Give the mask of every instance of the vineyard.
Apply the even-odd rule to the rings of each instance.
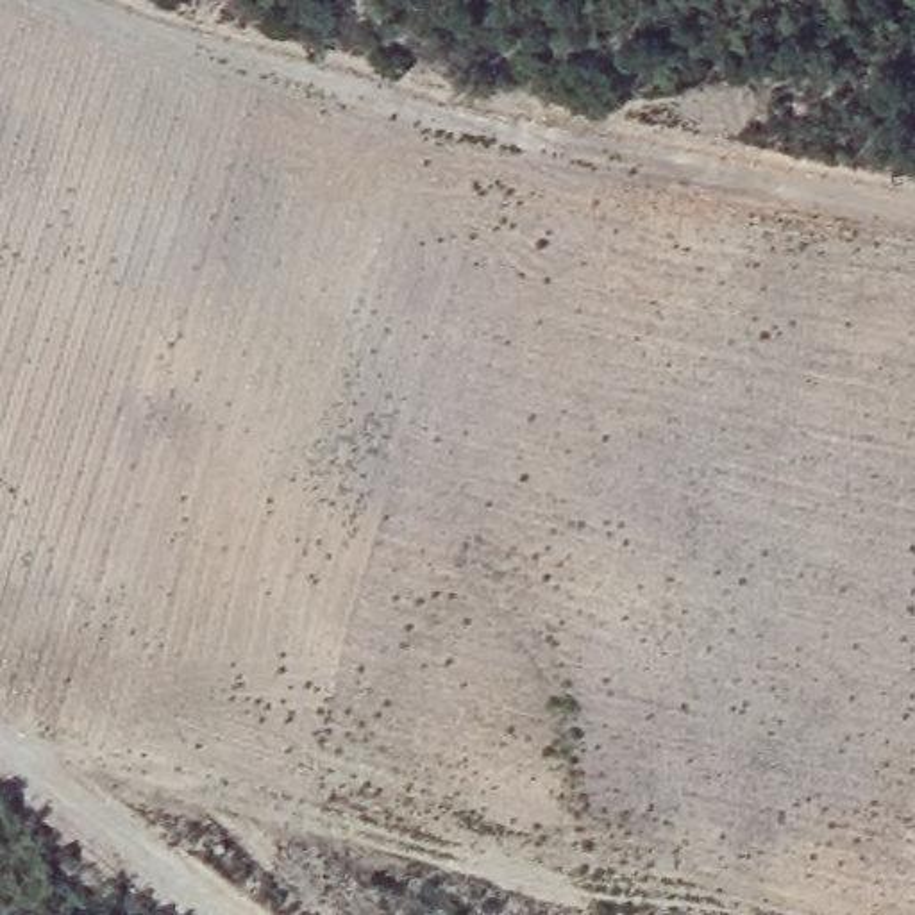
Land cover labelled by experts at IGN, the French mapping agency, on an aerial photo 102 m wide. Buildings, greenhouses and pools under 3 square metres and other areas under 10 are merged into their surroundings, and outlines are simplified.
[[[443,836],[450,844],[450,861],[443,861],[440,869],[440,872],[479,876],[497,883],[500,890],[522,890],[547,904],[593,904],[590,890],[579,890],[568,876],[533,865],[533,847],[522,847],[518,840],[479,836],[458,826],[465,808],[508,829],[529,829],[533,822],[572,822],[572,815],[558,804],[565,761],[543,758],[543,747],[554,740],[554,711],[547,708],[547,701],[575,697],[583,729],[583,772],[608,772],[604,779],[586,783],[590,801],[611,811],[643,811],[647,804],[661,801],[679,808],[672,829],[658,829],[658,836],[676,840],[683,847],[683,861],[672,865],[672,858],[658,858],[654,876],[693,879],[701,886],[726,886],[722,901],[740,901],[783,915],[915,915],[915,179],[826,164],[811,157],[790,157],[779,150],[761,150],[729,139],[711,143],[701,136],[686,136],[679,129],[629,122],[618,111],[611,111],[608,118],[586,118],[522,89],[472,97],[450,86],[440,64],[415,64],[400,79],[382,79],[368,57],[329,50],[322,61],[311,64],[304,43],[272,39],[261,29],[229,25],[222,21],[218,7],[193,4],[179,11],[161,11],[150,0],[0,0],[0,729],[18,711],[32,711],[39,740],[61,740],[64,758],[82,758],[93,772],[93,783],[107,790],[125,811],[132,811],[136,804],[147,804],[164,808],[172,815],[189,815],[197,822],[218,822],[247,847],[247,854],[261,869],[272,865],[279,840],[304,833],[365,851],[400,854],[400,847],[407,847],[411,836],[393,833],[386,826],[365,826],[354,815],[322,811],[322,801],[329,793],[375,783],[382,786],[382,797],[361,797],[361,804],[368,804],[368,811],[393,811]]]

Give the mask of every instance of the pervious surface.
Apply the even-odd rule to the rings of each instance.
[[[79,844],[82,858],[97,861],[104,876],[129,876],[132,886],[150,890],[157,904],[172,904],[175,911],[189,915],[272,915],[264,904],[247,897],[229,879],[222,879],[214,869],[207,869],[200,858],[189,858],[182,847],[168,847],[161,826],[147,826],[132,811],[125,811],[107,790],[93,783],[93,772],[82,758],[64,758],[61,740],[39,740],[32,711],[18,711],[0,729],[0,776],[21,779],[25,804],[50,808],[46,822],[57,829],[61,844]]]

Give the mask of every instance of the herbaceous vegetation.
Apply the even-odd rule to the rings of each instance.
[[[404,869],[407,861],[422,861],[440,869],[443,861],[450,861],[450,844],[443,836],[393,811],[368,811],[368,804],[361,804],[361,797],[382,797],[382,786],[375,783],[329,793],[322,801],[322,811],[354,815],[365,826],[386,826],[393,833],[411,836],[407,847],[400,847],[400,854],[365,851],[304,833],[279,840],[272,865],[261,869],[247,854],[247,847],[218,822],[197,822],[189,815],[172,815],[164,808],[147,804],[136,804],[132,811],[147,826],[161,826],[168,847],[182,847],[189,858],[200,858],[207,869],[214,869],[222,879],[229,879],[247,897],[264,904],[272,915],[379,915],[379,890],[404,894],[404,883],[393,876],[397,869]]]
[[[740,901],[722,901],[726,886],[701,886],[693,879],[654,876],[658,858],[672,858],[672,865],[683,861],[683,847],[676,840],[658,836],[658,829],[672,829],[679,808],[661,801],[647,804],[643,811],[611,811],[590,801],[586,783],[604,779],[608,772],[583,772],[583,729],[575,697],[547,701],[547,708],[554,711],[554,740],[543,747],[543,758],[565,761],[558,804],[572,815],[572,822],[533,822],[529,829],[508,829],[465,808],[458,826],[479,836],[518,840],[522,847],[533,847],[533,865],[568,876],[579,890],[590,890],[593,904],[547,904],[522,890],[500,890],[497,883],[479,876],[440,872],[443,894],[454,894],[458,901],[450,911],[432,915],[783,915]]]

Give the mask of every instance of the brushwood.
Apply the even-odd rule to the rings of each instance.
[[[379,915],[432,915],[450,911],[458,901],[454,894],[443,894],[440,872],[440,869],[422,861],[407,861],[404,869],[397,869],[393,876],[404,883],[404,894],[379,890]]]
[[[189,915],[175,911],[172,904],[157,904],[150,890],[132,886],[129,876],[104,876],[97,861],[82,858],[79,844],[61,844],[57,829],[46,822],[50,808],[25,804],[21,779],[0,776],[0,915]]]
[[[450,86],[472,97],[522,89],[586,118],[608,118],[611,111],[618,111],[629,122],[679,129],[686,136],[701,136],[711,143],[729,139],[761,150],[779,150],[790,157],[811,157],[826,164],[915,179],[915,0],[150,0],[161,11],[179,11],[193,4],[218,7],[222,21],[229,25],[261,29],[272,39],[304,43],[311,64],[322,61],[329,50],[368,57],[382,79],[400,79],[415,64],[440,64]]]

